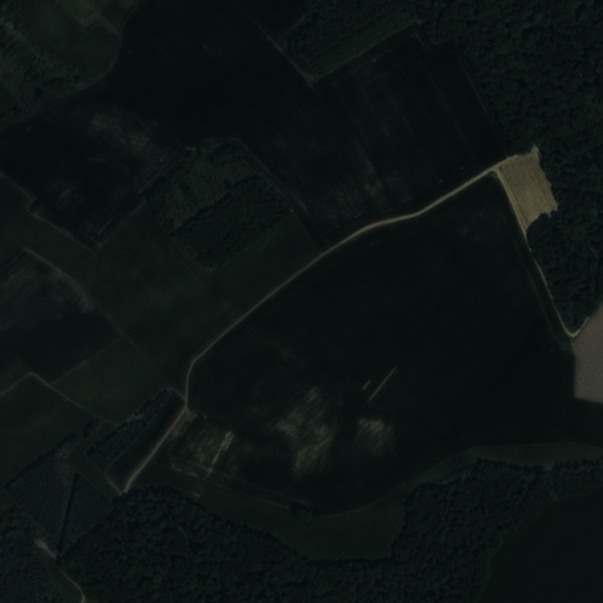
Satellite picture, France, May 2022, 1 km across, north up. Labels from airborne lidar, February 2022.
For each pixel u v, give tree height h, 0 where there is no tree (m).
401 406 0
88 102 0
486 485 24
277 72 0
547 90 29
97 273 0
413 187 0
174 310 0
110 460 9
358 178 0
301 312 0
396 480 0
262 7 0
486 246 0
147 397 0
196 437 0
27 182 0
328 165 0
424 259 0
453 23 30
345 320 0
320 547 0
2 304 0
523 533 0
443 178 0
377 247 0
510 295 0
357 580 28
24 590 18
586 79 31
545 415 0
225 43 0
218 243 16
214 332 0
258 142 0
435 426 0
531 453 0
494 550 11
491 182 0
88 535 24
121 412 0
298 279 0
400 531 0
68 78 11
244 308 0
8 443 0
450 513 22
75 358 0
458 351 0
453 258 0
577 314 24
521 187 0
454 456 0
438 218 0
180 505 28
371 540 0
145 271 0
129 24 0
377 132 0
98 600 18
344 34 13
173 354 0
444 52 0
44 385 0
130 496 15
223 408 0
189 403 0
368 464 0
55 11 0
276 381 0
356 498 0
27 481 15
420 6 24
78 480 14
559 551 0
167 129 0
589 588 0
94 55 0
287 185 0
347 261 0
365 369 0
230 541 29
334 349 0
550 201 0
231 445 0
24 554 21
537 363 0
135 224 0
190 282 0
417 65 0
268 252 0
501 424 0
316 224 0
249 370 0
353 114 0
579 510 0
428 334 0
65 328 0
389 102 0
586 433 0
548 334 0
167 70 0
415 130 0
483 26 27
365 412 0
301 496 0
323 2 23
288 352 0
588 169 27
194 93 0
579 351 0
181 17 0
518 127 24
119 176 0
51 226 0
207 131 0
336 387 0
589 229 25
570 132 8
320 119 0
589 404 0
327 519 0
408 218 0
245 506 0
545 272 8
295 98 0
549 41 30
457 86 0
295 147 0
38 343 0
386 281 0
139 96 0
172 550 30
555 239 26
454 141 0
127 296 0
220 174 0
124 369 0
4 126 0
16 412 0
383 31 9
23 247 0
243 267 0
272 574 32
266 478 0
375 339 0
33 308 0
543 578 0
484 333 0
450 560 29
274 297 0
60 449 14
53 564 0
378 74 0
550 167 19
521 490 25
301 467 0
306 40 23
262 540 33
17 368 0
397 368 0
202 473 0
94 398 0
